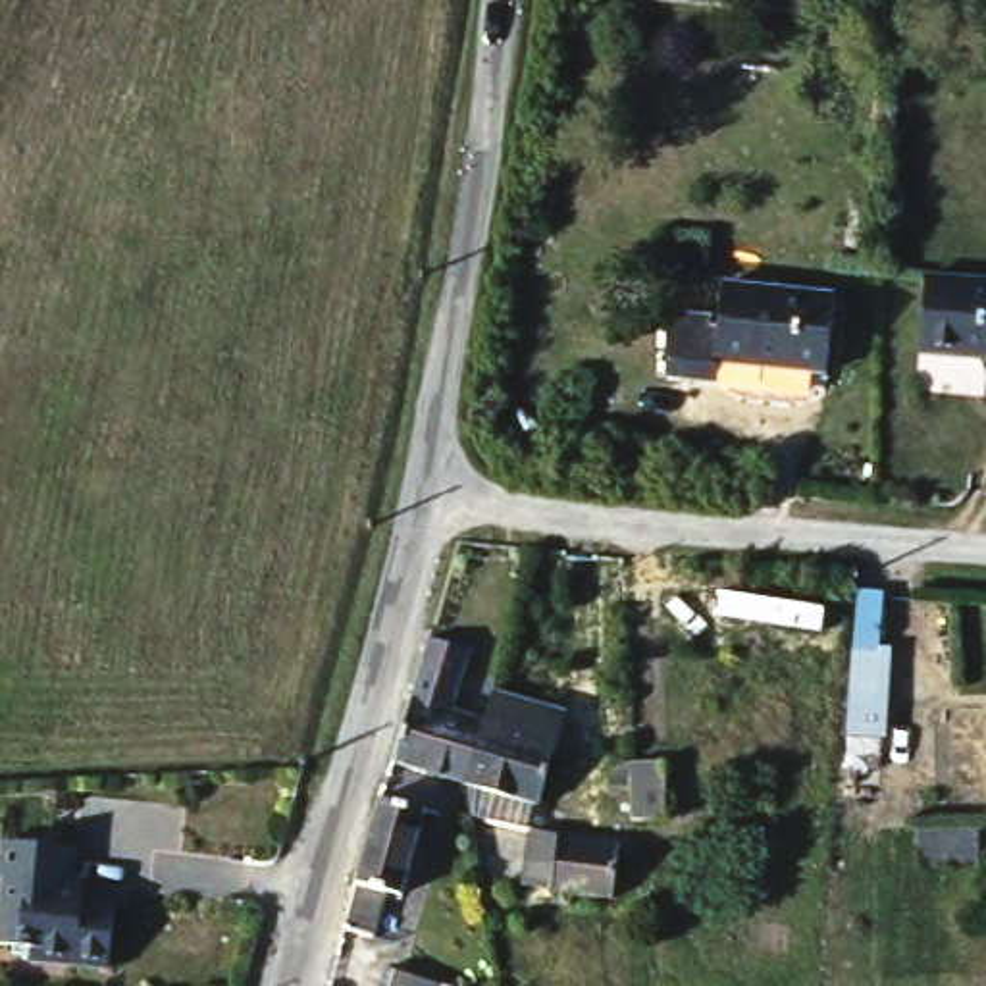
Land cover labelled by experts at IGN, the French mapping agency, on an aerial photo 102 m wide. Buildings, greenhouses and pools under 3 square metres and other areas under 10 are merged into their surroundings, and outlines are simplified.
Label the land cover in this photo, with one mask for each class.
<instances>
[{"label":"agricultural land","instance_id":"1","mask_svg":"<svg viewBox=\"0 0 986 986\"><path fill-rule=\"evenodd\" d=\"M451 15L447 0H0V770L204 759H273L277 770H304L300 728L308 716V693L320 666L324 636L335 620L347 558L358 535V516L366 512L374 462L381 451L385 412L393 401V374L404 339L397 285L404 281V247L412 239L416 196L428 169L435 81L443 65Z\"/></svg>","mask_w":986,"mask_h":986},{"label":"herbaceous vegetation","instance_id":"2","mask_svg":"<svg viewBox=\"0 0 986 986\"><path fill-rule=\"evenodd\" d=\"M451 15L443 65L435 81L428 169L416 196L412 239L404 247V281L397 285L404 339L393 374V401L385 412L381 451L374 462L366 512L358 516V535L347 558L335 620L324 636L320 666L308 693V716L300 728L304 770H277L262 782H243L227 774L204 805L185 809V847L193 851L231 859H285L331 766L358 655L370 632L377 578L389 558L397 497L412 443L416 393L424 381L431 324L447 277L458 208V169L466 154L474 100V0H447ZM724 8V0H628L624 15L636 23V31L655 35L659 27H670L678 12H716ZM558 58L555 81L582 92L593 69L589 23L582 19V12L558 19L551 35ZM813 69V50L790 46L766 50L763 62L743 65L728 58L716 73H682L662 69L655 62L624 58V81L612 92L632 112V166H620L609 181H589L582 173L574 189V223L551 235L547 243L532 235L520 239L512 247L516 254L505 258V270L493 277L497 289L508 297V316L497 324L489 339L493 370L478 377L481 389H505V401L493 416V435L532 454L535 443L516 424V416L535 412V389L547 374L570 370L582 358L612 362L616 393L609 397V408L674 420L662 435L670 443H682V435L693 424L682 420V393L659 385L655 377V335H643L636 343H609V312L601 289L593 285V266L601 258L632 250L643 239H655V231L666 220H713L732 223L736 250H755L759 266L817 270L828 254H851L863 231L859 208L878 185H890L894 220L882 235L890 247V262L921 270L924 281L940 266H951L959 258L986 262V85H967L951 77L932 81L909 69L901 73L894 100V116H882V127L874 135H863L855 119L832 127L817 119L813 104L801 92ZM705 173L774 177V196L763 208H743L740 193H720L716 204H693L689 185ZM909 304L897 316V327L894 470L909 478L944 481L955 497H897L882 508L828 497H786V505L801 520L947 528L967 508L971 493L982 489L986 458V393H932L928 374H921L917 366L921 354H928L921 347L924 285L905 289ZM824 443L863 447L878 435V358L867 354L824 389L817 412L813 428ZM535 535L481 524L443 543L424 609V624L439 639L447 628H489L512 612L520 551ZM558 562H570V601L578 605L574 636L582 651L570 655L574 670L562 674L558 686L593 693V647L609 639L612 612L624 597H636L632 551L601 539H566ZM662 570L689 574L705 547H655ZM674 624L666 632L662 662L666 720L655 732L674 747L666 763V809L674 817L686 813L701 805L705 770H716L720 763L759 747L805 751L809 766L801 770L797 797L813 813V847L801 859L797 890L782 905H770L759 917L740 913L724 928H709L705 921H697L670 890L651 894L659 944L628 947L612 940L609 947L578 951L558 932L543 936L535 928L516 932L512 940L505 932L489 940V928L481 921L466 924L458 913V886H470L478 878V859L470 836H458L451 874L420 886L424 917L412 928L416 955L401 959L397 971L443 986H986V936H967L959 924V913L978 897V870L971 863H928L917 847V836L924 828L913 813L901 828H886L874 840L863 828H847L840 797L843 770L851 647L836 639L832 651H786L774 632L778 624L716 616L701 593L682 589V601H670ZM119 797L177 805L173 782L154 778H135ZM166 928L139 959L112 963V978H54L19 959L0 963V986H135L150 982L154 974H223L239 963L247 967L243 986H262V971L277 932V894H162Z\"/></svg>","mask_w":986,"mask_h":986},{"label":"brushwood","instance_id":"3","mask_svg":"<svg viewBox=\"0 0 986 986\"><path fill-rule=\"evenodd\" d=\"M524 31L516 42L505 108L497 200L458 385V443L470 466L508 493L585 501L605 508L751 516L759 508H774V501L766 497L774 474V462L766 458L770 439L736 435L720 424H693L682 435V443H670L662 435L674 420L609 408V397L616 393L612 362L582 358L570 370L547 374L535 389V412L516 416V424L535 443L532 454L493 435V416L505 401V389H481L478 377L493 370L489 339L497 324L508 316V297L497 289L493 277L505 270V258L516 254L512 247L520 239L532 235L547 243L551 235L574 223V189L582 173V166L558 158L555 135L566 116H574L582 92L555 81L558 58L551 35L558 19L555 0H524ZM797 39L790 46L813 50V69L801 92L813 104L817 119L832 127L855 119L859 104L851 85L840 77L828 35L847 8L863 15L874 0H793ZM909 69L932 81L951 77L967 85H986V54L971 62V54L959 58L944 54L940 46H921L905 39L897 50L878 54V81L882 92L894 100L901 73ZM720 193H740L743 208H763L774 196V177L705 173L689 185L693 204H716ZM863 231L851 254H828L817 270L905 289L924 285V281L921 270L890 262V247L882 235L894 220L890 185H878L859 208ZM713 220H666L655 231V239L709 243ZM897 327H878L867 343V354L878 358V435L863 447L824 443L820 458L809 466L793 497H828L882 508L897 497H955L944 481L909 478L894 470ZM566 539L535 535L520 551L512 612L489 628L493 651L485 662V682H505L512 659L524 662L535 682L558 686L562 674L574 670L570 655L582 651L574 636L578 605L570 601V562H558ZM820 551L705 547L689 574L713 578L720 589L736 593L820 605L824 624L836 628V639L851 647L859 589L843 570H813V558ZM913 605L932 601L947 612L944 639L951 647L955 686L967 693H986V566L928 562L921 582H905ZM593 693L601 701L605 732L612 736V751L605 759L666 763L674 747L655 732L647 724V697L628 693L620 655L624 616L612 612L609 639L593 647ZM227 774L243 782H262L277 770L273 759H204L0 770V840H27L31 828L54 820H81L77 805H85L89 797H119L135 778H154L173 782L177 805L185 809L204 805ZM924 828H971L978 832L982 851H986V801H959L951 786H928L921 809L913 813ZM458 836H470L478 859V878L470 886H458V913L466 924L481 921L489 928V940L505 932L512 940L516 932L535 928L543 936L558 932L578 951L609 947L612 940L628 947L659 944L651 894L670 890L659 867L624 897L616 890L605 897L570 894L562 905H535L532 890L516 874H508L501 859L493 828L470 813L458 820ZM247 967L239 963L223 974H154L150 982L135 986H243Z\"/></svg>","mask_w":986,"mask_h":986},{"label":"impervious surface","instance_id":"4","mask_svg":"<svg viewBox=\"0 0 986 986\"><path fill-rule=\"evenodd\" d=\"M524 0H474V100L466 154L458 169V208L447 277L431 324L424 381L416 393L412 443L397 497L389 558L377 578L370 632L358 655L331 766L285 859H231L193 851L185 847V809L177 805L119 797H89L85 805H77L81 820L100 813L112 817V855L108 863H100V878H127L143 867V878H150L162 894H277V932L262 971V986H389L397 971L401 959L416 955L412 928L424 917L420 886L412 890L408 905L381 897L374 928L350 924V905L358 897L354 878L362 874L358 859L370 832V801L381 793L404 797L416 778H428L424 763L404 759L397 747L404 740L408 701L416 697L420 705H431L435 697V682L447 659V639H439L424 624V609L443 543L481 524L535 535L566 539H601L632 551L655 547H705L820 551H874L886 574L905 582H921L928 562L986 566V535L947 528L801 520L786 505V497H793L809 466L820 458L824 443L813 428L770 439L766 458L774 462V474L766 497L774 501V508H759L751 516L605 508L585 501L508 493L470 466L458 443V385L497 200L505 108L516 42L524 31ZM917 366L921 374H928L932 393H986V370L982 358L928 354H921ZM724 393H747L770 404L809 401L817 412L824 389L813 385L809 370L793 366L724 362L713 377ZM605 770L593 766L585 782L570 790L562 801L543 793L535 805L501 786L474 782L466 790L470 813L493 828L501 859L508 874H516L524 867L528 828L558 836L566 820H601ZM917 847L928 863H971L982 859V851L978 832L971 828H924L917 836Z\"/></svg>","mask_w":986,"mask_h":986},{"label":"building","instance_id":"5","mask_svg":"<svg viewBox=\"0 0 986 986\"><path fill-rule=\"evenodd\" d=\"M655 277L662 281V331L655 335V377L659 385L682 393H701V385L713 377L724 362L793 366L809 370L813 385L824 389L867 354V343L878 327H897V316L909 304L905 289L817 270L759 266L755 250H736L732 223L713 220L709 243L655 239ZM921 347L928 354L982 358L986 370V262L959 258L951 266H940L924 281V285ZM890 709V647L882 643V593L859 589L851 647L843 770H863L867 755L878 751ZM439 639H447V659L435 682V697L431 705H420L416 697L408 701L404 740L397 747L404 759L424 763L428 778H416L404 797L381 793L370 801V832L358 859L362 874L354 878L358 897L350 905V924L374 928L381 897L408 905L412 890L420 886L451 874L458 836V820L470 813L466 790L474 782L501 786L535 805L543 793L562 801L570 790L585 782L593 766L605 770L601 820H566L558 836L528 828L524 867L516 874L532 890L535 905H562L570 894L605 897L616 890L624 897L659 867L670 855L666 836L693 832L686 813L674 817L666 809V763L605 759L612 751V736L605 732L601 701L593 693L558 686L535 682L524 662L512 659L505 682H485V662L493 651L489 628H447ZM112 855V817L100 813L81 820H54L31 828L27 840H0V963L19 959L54 978H112V963L139 959L166 928L162 894L150 878H143V867L127 878H100V863H108ZM389 986H443L397 971Z\"/></svg>","mask_w":986,"mask_h":986},{"label":"deciduous trees","instance_id":"6","mask_svg":"<svg viewBox=\"0 0 986 986\"><path fill-rule=\"evenodd\" d=\"M628 0H555L558 19L582 12V19L589 23L593 69L582 92L574 116H566L555 135L558 158L582 166V173L589 181H609L620 166H632V112L612 92L624 81V58L655 62L662 69L682 73H716L728 58L743 65L763 62L766 50L790 46L797 39L793 0H724V8L716 12H678L670 27H659L655 35L636 31V23L624 15ZM840 77L851 85L859 104L855 119L863 135H874L882 127V116H894V100L882 92L878 81V54L897 50L905 39L921 46H940L944 54L959 58L971 54V62L986 54V0H874L863 15L847 8L828 35ZM593 285L601 289L609 312V343H636L643 335H655L662 331V281L655 277V239H643L632 250L601 258L593 266ZM809 766L805 751L759 747L720 763L716 770H705L701 805L686 813L693 832L666 836L670 855L659 867L670 890L697 921H705L709 928H724L740 913L759 917L770 905H782L797 890L801 859L813 847V813L797 797L801 770ZM978 870V897L959 913V924L967 936H986V851H982V859L971 863Z\"/></svg>","mask_w":986,"mask_h":986},{"label":"pervious surface","instance_id":"7","mask_svg":"<svg viewBox=\"0 0 986 986\"><path fill-rule=\"evenodd\" d=\"M682 420L693 424H720L736 435L770 439L813 428L817 412L809 401L770 404L747 393H724L713 377L701 385V393H682ZM947 528L986 535V458L982 489L971 493L967 508ZM636 597H624L612 612L624 616L620 655L628 693L647 697V724L655 732L666 720L662 662L666 632L674 624L670 601H682V589L701 593L716 616L778 624L774 632L786 651H832L836 639V628L824 624L820 605L736 593L720 589L713 578L689 574L662 570L655 547L632 551ZM813 570H843L859 589L882 593V643L890 647V709L878 751L867 755L863 770H843L840 797L847 828H863L874 840L886 828H901L913 813L921 809L928 786H951L959 801H986V693H967L955 686L951 647L944 639L947 612L932 601L913 605L905 582L886 574L874 551H820L813 558Z\"/></svg>","mask_w":986,"mask_h":986}]
</instances>
